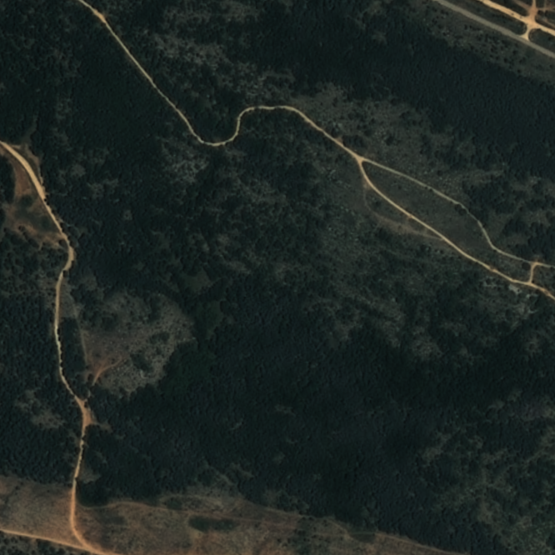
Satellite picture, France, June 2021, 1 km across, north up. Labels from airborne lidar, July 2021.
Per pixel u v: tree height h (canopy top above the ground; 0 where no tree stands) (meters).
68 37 9
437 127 6
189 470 10
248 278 10
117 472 8
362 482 15
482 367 10
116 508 0
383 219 0
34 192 0
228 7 6
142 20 8
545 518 9
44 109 12
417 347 7
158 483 11
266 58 11
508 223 7
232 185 7
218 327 9
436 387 5
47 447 10
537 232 9
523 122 16
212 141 9
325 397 15
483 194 13
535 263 0
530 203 7
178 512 0
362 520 10
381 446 10
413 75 10
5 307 11
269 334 11
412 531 16
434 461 7
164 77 8
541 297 7
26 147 0
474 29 7
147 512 0
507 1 9
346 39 12
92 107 9
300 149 11
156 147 9
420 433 10
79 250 10
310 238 8
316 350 10
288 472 8
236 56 10
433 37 11
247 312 9
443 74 15
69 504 0
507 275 0
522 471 6
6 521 0
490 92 13
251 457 10
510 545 7
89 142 9
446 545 13
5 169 7
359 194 0
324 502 13
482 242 0
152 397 9
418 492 12
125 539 0
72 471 11
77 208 12
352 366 10
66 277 8
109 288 9
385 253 5
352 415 11
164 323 0
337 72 12
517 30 0
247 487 13
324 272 8
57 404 11
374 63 15
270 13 11
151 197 10
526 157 14
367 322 8
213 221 6
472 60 11
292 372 14
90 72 12
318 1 13
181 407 6
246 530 0
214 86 6
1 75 10
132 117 11
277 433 13
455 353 10
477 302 8
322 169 0
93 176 6
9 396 8
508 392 5
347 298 7
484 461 0
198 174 8
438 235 0
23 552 7
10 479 0
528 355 5
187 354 10
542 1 0
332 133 8
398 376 8
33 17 9
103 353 0
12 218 0
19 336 6
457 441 7
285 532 0
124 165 10
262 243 9
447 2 0
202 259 11
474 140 11
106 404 10
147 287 12
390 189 0
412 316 6
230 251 7
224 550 0
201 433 11
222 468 10
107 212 11
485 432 9
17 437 13
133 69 6
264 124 6
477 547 9
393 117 0
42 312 11
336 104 9
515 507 7
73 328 7
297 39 11
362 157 0
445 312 9
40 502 0
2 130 17
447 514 11
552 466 6
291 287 7
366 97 6
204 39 7
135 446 10
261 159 12
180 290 6
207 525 0
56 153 9
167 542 0
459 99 12
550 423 7
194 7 7
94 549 0
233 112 10
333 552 0
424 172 0
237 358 9
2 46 6
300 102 0
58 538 0
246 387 13
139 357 7
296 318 12
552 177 9
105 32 10
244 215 8
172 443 12
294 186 8
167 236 8
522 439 9
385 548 0
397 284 8
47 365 11
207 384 11
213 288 13
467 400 12
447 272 8
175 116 10
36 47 10
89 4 6
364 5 8
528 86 14
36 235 0
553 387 11
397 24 9
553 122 11
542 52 0
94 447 11
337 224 0
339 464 15
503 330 9
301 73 9
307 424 12
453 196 0
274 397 15
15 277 10
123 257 11
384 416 13
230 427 9
